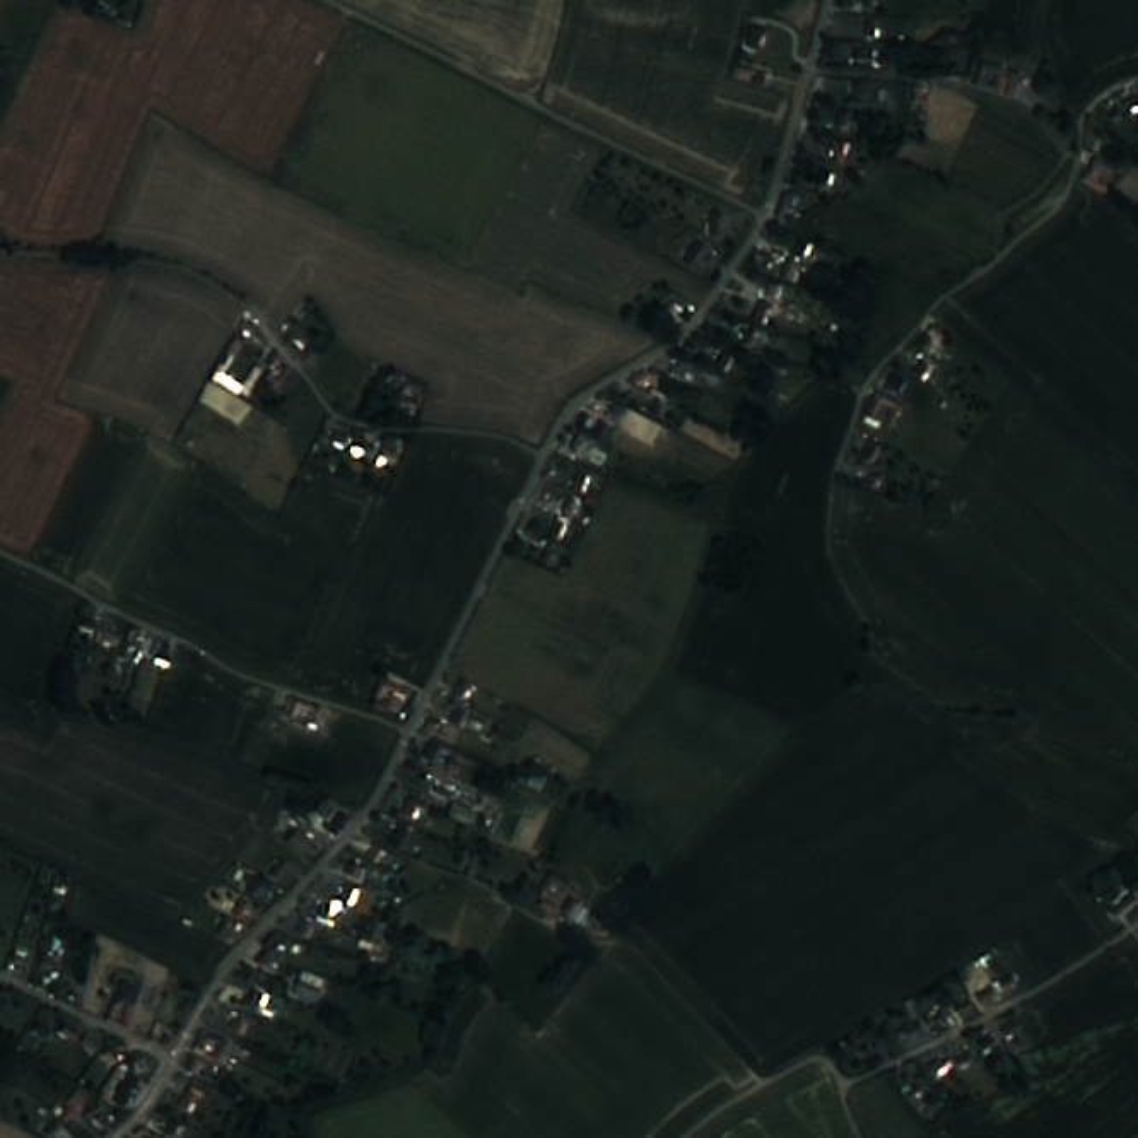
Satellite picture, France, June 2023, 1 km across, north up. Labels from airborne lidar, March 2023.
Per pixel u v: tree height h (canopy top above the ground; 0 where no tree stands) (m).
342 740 0
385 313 0
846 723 0
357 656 0
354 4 0
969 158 0
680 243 0
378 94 0
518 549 6
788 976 0
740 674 0
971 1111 0
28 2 0
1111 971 0
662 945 0
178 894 0
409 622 0
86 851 0
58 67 0
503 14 0
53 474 0
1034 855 0
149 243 0
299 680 0
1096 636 0
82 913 0
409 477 0
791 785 0
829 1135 0
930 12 0
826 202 11
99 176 0
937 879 0
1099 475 0
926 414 0
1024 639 0
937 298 0
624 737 0
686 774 0
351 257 0
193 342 0
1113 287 0
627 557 0
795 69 6
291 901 0
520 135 0
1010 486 0
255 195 0
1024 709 0
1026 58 0
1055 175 0
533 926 0
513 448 0
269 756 0
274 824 0
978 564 0
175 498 0
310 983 0
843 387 0
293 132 0
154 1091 0
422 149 0
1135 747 0
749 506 0
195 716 0
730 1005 0
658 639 0
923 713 0
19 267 0
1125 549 0
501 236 0
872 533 0
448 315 0
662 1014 0
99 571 0
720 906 0
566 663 0
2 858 0
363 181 0
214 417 0
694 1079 0
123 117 0
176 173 0
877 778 0
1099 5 0
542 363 0
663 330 24
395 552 0
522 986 0
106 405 0
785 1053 0
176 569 0
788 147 0
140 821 0
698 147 0
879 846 0
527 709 0
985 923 0
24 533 0
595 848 0
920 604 0
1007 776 0
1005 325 0
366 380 0
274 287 0
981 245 0
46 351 0
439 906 0
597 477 0
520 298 0
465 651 0
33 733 0
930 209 0
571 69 0
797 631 0
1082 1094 0
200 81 0
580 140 0
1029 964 0
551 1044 0
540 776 0
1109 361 0
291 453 0
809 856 0
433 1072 0
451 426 0
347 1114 0
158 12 0
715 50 0
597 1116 0
